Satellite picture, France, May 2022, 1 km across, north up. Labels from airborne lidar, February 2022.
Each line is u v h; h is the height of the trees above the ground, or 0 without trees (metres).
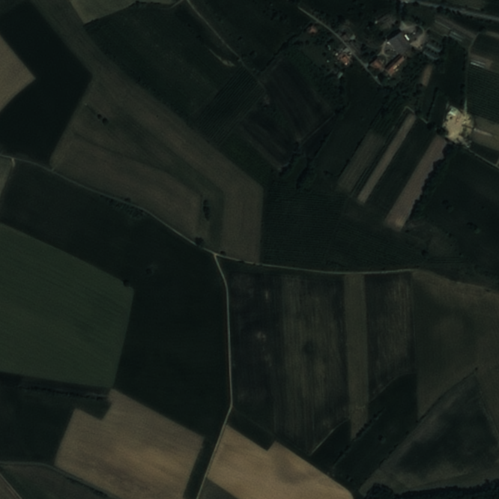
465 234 0
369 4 0
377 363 0
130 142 0
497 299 0
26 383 0
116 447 0
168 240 0
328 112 0
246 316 0
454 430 0
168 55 0
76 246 0
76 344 0
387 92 12
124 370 0
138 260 0
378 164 0
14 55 0
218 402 0
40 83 0
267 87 0
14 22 0
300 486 0
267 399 0
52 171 0
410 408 0
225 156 0
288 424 0
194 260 0
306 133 0
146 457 0
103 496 7
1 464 0
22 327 0
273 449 0
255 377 0
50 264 0
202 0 0
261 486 0
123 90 0
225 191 0
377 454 0
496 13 0
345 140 0
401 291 0
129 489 0
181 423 0
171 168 0
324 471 0
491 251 0
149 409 0
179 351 0
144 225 0
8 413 0
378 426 0
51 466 0
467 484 0
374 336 0
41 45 0
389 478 0
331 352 0
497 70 0
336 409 0
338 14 0
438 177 14
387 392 0
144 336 0
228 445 0
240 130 0
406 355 0
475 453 0
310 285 0
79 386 0
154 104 0
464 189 0
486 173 0
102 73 0
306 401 0
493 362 0
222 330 0
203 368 0
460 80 0
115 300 0
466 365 0
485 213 0
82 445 0
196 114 0
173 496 0
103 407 0
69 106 0
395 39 0
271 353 0
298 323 0
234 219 0
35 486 0
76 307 0
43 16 0
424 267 0
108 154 0
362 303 0
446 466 0
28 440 0
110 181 0
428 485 0
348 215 0
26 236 0
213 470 0
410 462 0
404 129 0
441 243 0
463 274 0
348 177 0
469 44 0
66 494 0
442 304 0
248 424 0
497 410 0
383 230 0
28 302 0
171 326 0
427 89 0
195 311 0
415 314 0
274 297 0
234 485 0
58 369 0
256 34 0
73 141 0
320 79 6
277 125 0
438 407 0
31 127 0
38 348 0
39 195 0
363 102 0
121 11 0
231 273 0
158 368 0
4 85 0
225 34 0
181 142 0
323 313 0
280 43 0
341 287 0
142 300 0
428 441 0
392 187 0
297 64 7
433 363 0
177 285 0
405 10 12
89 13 0
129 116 0
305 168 0
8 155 0
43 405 0
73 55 0
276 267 0
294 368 0
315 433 0
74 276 0
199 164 0
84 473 0
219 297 0
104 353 0
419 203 11
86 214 0
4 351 0
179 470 0
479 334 0
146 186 0
